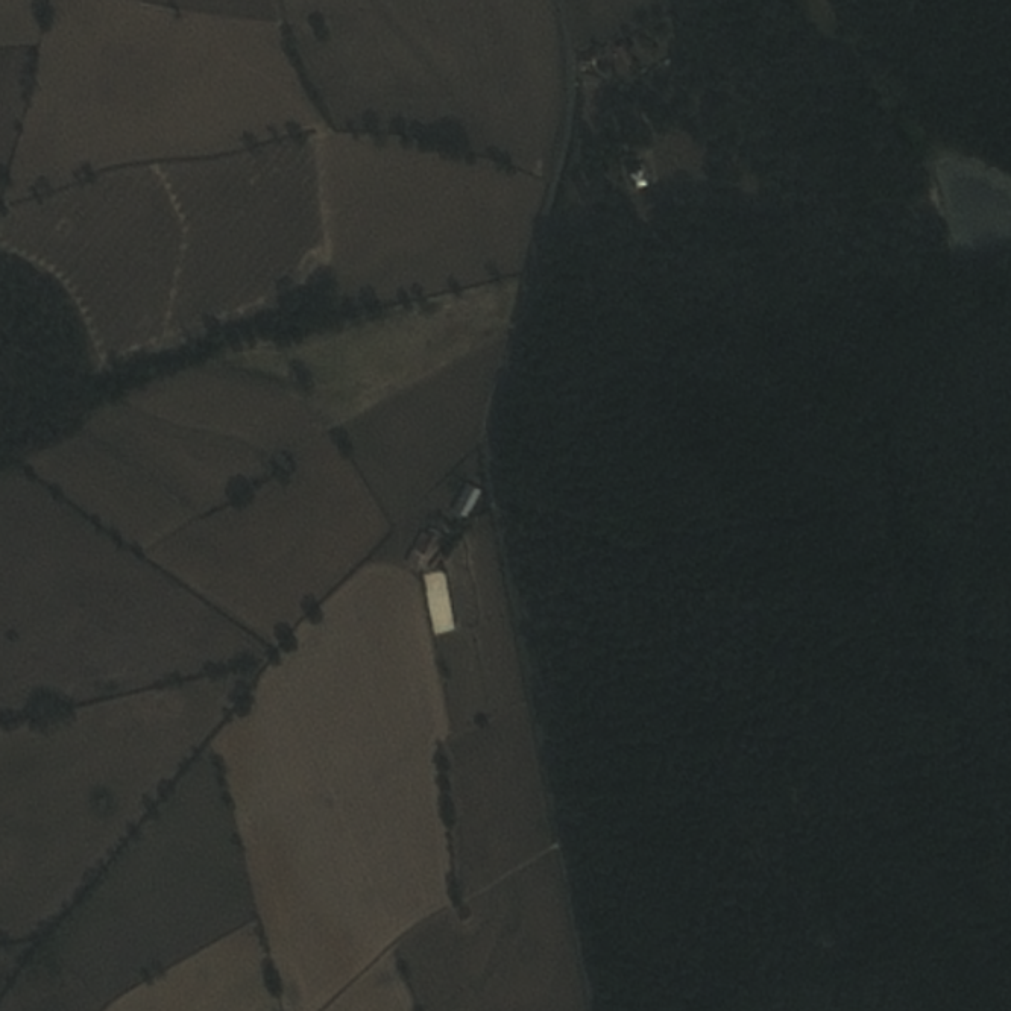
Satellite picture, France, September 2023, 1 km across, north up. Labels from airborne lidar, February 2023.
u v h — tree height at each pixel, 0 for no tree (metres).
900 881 24
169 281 0
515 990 0
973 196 0
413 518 0
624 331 23
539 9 0
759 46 24
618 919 22
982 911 22
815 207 28
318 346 0
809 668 20
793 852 23
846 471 20
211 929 0
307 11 0
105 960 0
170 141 0
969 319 24
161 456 0
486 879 0
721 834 27
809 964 27
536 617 22
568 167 5
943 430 22
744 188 0
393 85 0
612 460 23
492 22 0
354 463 0
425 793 0
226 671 8
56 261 0
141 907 0
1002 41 22
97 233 0
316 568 0
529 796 0
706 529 21
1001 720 26
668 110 27
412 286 0
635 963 23
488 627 0
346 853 0
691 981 26
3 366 19
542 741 0
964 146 20
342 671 0
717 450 26
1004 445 22
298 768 0
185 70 0
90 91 0
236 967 0
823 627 17
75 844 0
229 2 0
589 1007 0
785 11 18
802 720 21
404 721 0
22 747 0
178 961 0
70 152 0
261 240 0
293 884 0
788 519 25
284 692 0
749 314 25
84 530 0
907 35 26
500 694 0
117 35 0
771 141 27
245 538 0
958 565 19
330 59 0
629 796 25
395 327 0
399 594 0
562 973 0
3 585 0
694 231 29
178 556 0
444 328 0
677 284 27
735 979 26
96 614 0
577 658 23
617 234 26
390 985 0
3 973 0
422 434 0
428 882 0
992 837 25
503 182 0
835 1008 25
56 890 0
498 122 0
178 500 0
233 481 0
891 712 22
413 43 0
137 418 0
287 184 0
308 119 0
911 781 26
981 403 17
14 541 0
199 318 0
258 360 0
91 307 0
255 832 0
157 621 0
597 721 19
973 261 19
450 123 0
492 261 0
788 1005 27
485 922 0
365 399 0
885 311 22
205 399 0
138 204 0
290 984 0
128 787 0
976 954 24
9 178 16
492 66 0
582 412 23
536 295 16
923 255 27
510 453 20
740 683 22
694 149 0
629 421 23
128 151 0
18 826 0
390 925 0
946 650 25
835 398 22
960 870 21
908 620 24
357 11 0
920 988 21
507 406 20
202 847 0
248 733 0
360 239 0
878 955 22
